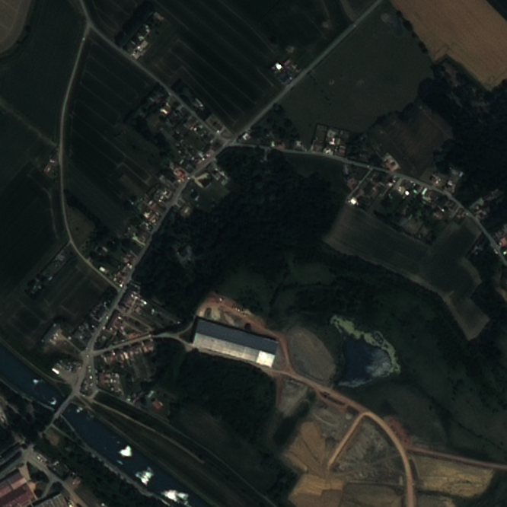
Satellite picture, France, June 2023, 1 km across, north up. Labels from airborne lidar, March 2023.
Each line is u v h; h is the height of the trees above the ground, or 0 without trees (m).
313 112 0
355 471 0
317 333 0
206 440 0
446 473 0
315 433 0
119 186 0
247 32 0
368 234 0
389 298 0
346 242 0
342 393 0
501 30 0
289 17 0
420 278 0
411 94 0
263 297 0
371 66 0
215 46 0
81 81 0
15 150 0
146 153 0
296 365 0
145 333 0
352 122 0
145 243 0
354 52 0
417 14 0
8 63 0
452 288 0
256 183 20
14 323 0
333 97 0
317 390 0
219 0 0
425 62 0
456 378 0
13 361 0
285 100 0
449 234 0
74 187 0
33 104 0
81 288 0
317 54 0
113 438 0
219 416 15
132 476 0
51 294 0
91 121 0
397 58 0
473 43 0
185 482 0
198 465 0
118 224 0
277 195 18
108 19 0
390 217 14
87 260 0
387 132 0
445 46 0
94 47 0
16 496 0
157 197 0
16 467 0
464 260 0
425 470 0
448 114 22
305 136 0
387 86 0
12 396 12
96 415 0
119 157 0
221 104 0
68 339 0
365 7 0
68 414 0
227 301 0
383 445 0
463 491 0
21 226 0
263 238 14
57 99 0
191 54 0
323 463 0
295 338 0
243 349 0
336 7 0
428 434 0
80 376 0
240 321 0
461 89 22
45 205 0
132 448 0
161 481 0
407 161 0
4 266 0
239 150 10
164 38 0
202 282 21
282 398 0
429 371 0
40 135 0
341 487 0
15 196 0
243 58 0
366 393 0
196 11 0
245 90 0
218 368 6
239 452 0
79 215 0
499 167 19
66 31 0
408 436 0
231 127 0
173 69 0
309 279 0
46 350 0
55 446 0
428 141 0
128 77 0
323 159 0
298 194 17
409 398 0
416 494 0
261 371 8
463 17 0
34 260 0
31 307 0
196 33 0
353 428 0
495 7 0
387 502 0
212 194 0
